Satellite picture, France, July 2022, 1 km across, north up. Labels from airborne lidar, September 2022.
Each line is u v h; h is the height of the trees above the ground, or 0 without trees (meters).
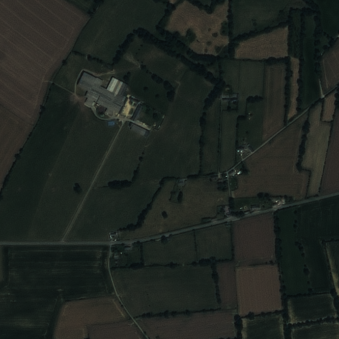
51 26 0
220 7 0
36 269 0
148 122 0
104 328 0
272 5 0
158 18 0
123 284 0
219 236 0
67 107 0
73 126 0
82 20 0
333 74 0
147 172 0
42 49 0
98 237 0
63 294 0
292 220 0
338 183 0
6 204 0
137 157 0
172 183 0
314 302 0
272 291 0
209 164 0
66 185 0
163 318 0
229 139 0
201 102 0
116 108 0
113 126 0
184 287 0
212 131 0
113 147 0
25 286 0
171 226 0
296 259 0
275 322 0
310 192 0
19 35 0
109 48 0
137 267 16
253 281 0
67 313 0
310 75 0
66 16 0
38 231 0
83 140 0
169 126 0
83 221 0
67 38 0
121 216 0
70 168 0
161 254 0
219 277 9
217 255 0
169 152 0
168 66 0
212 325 0
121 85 0
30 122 0
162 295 0
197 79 0
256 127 0
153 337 0
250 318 16
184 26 0
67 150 0
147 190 0
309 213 0
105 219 0
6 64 0
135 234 0
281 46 0
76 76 0
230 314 0
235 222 0
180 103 0
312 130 0
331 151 0
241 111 0
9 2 0
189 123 0
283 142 0
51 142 0
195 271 0
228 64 0
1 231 0
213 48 0
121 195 0
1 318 0
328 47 13
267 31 11
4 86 0
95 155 0
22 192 0
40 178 0
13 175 0
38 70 0
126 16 0
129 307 0
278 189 0
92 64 0
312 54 0
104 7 0
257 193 0
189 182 0
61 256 0
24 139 0
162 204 0
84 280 0
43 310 0
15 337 0
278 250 16
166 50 13
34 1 0
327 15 0
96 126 0
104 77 0
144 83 0
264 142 0
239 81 0
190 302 0
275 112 0
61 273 0
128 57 0
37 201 0
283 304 11
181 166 0
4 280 0
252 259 0
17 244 0
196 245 6
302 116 0
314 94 0
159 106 0
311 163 0
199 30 0
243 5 0
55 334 0
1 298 0
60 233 0
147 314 11
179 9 0
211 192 0
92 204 0
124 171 0
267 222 0
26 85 0
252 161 0
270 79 0
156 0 11
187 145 0
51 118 0
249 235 0
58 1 0
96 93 0
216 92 19
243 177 0
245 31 0
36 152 0
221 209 6
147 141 0
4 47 0
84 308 0
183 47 22
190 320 0
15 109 0
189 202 0
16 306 0
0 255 0
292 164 0
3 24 0
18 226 0
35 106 0
